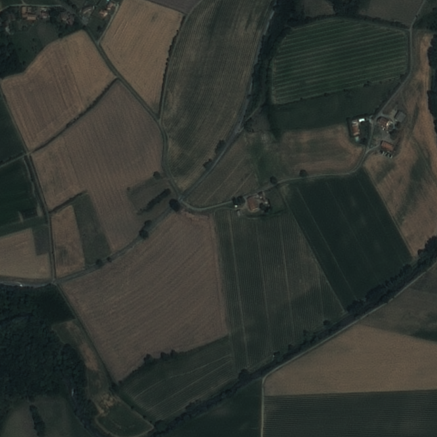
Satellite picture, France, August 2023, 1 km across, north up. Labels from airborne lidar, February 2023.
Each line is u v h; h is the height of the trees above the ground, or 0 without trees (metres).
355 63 0
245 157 0
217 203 0
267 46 15
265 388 0
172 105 0
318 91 0
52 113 0
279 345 0
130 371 0
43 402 0
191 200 0
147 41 0
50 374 23
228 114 0
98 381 0
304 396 0
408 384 0
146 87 0
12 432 0
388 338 0
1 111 0
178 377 0
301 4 0
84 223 0
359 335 0
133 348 0
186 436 0
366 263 0
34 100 0
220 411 0
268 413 0
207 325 0
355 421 0
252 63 0
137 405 0
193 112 0
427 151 0
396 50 0
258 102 9
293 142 0
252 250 0
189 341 0
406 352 0
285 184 0
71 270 0
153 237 0
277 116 0
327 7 0
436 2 0
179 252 0
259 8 0
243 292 0
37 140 0
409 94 0
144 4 0
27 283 0
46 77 0
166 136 0
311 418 0
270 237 0
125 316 0
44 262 0
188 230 0
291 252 0
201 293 0
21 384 21
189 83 0
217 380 0
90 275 0
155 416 0
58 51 0
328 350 0
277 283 0
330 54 0
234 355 0
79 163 0
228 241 0
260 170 0
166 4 0
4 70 7
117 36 0
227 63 0
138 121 0
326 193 0
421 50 0
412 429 0
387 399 0
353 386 0
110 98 0
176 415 0
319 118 0
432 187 0
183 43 0
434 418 0
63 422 0
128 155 0
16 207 0
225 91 0
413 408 0
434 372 0
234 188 0
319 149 0
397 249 0
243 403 0
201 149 0
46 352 24
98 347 0
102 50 0
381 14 0
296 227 0
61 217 0
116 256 0
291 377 0
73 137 0
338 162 0
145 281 0
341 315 0
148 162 0
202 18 0
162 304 0
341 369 0
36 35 0
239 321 0
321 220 0
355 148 0
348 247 0
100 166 0
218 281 0
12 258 0
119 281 0
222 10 0
